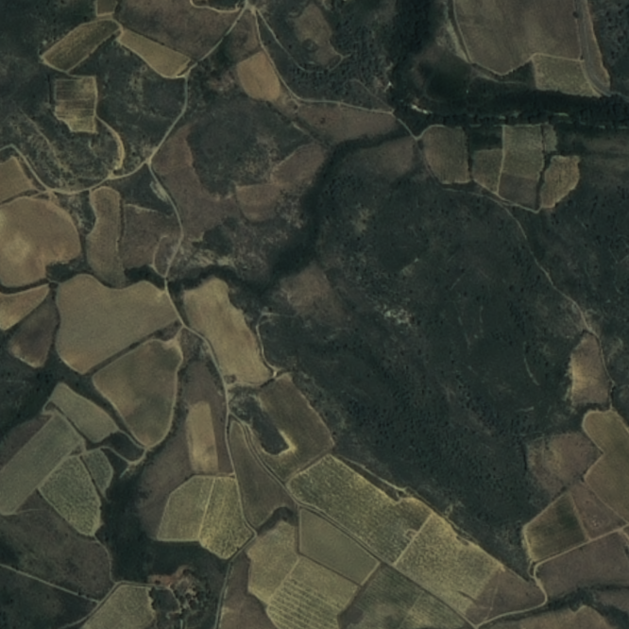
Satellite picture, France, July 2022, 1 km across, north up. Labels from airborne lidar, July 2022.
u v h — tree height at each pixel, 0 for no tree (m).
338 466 0
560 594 0
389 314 0
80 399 0
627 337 0
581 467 0
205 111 0
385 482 0
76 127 0
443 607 0
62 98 0
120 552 7
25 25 0
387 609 0
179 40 0
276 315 0
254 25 0
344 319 0
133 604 0
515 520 0
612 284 0
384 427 9
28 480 0
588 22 0
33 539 0
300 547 0
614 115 13
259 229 0
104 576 0
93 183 0
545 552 0
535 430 7
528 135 0
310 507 0
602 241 13
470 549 0
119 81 0
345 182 7
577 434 0
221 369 0
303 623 0
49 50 0
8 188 0
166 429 0
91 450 0
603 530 0
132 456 0
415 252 0
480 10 0
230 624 0
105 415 0
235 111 0
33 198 0
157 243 0
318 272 0
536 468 0
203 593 9
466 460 6
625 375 0
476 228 0
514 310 9
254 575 0
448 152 0
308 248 7
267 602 0
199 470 0
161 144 0
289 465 0
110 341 0
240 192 0
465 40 0
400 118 8
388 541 0
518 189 0
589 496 0
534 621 0
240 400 0
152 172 0
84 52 0
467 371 0
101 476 0
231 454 0
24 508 0
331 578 0
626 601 0
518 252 9
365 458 0
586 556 0
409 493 0
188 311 0
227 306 0
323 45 0
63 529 0
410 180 7
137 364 0
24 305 0
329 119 0
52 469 0
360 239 9
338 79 11
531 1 0
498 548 0
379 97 0
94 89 0
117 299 0
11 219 0
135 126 0
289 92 0
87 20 13
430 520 0
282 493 0
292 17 0
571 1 0
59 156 0
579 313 0
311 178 0
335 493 0
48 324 0
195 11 0
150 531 0
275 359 0
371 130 0
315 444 0
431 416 9
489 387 0
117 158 0
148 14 0
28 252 0
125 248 0
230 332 0
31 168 0
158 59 0
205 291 0
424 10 19
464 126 12
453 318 0
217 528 0
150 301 0
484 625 0
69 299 0
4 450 0
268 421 0
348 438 0
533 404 0
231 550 0
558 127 10
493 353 0
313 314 0
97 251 0
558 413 0
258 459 0
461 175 0
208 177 0
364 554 0
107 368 0
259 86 0
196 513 0
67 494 0
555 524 0
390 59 12
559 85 0
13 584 0
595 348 0
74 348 0
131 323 0
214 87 0
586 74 0
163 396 0
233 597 0
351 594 0
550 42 0
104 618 0
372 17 0
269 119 0
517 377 0
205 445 0
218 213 0
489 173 0
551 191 0
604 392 0
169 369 0
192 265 0
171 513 0
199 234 0
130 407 0
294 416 0
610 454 0
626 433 0
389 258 0
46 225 0
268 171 0
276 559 0
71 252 0
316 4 0
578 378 0
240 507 0
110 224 0
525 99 8
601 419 0
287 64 0
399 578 0
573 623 0
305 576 0
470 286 0
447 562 0
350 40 8
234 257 0
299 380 0
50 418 0
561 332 0
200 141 0
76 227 0
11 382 0
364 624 0
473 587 0
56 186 0
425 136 0
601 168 0
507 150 0
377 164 0
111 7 0
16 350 0
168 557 0
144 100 0
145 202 0
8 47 0
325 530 0
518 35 0
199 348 0
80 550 0
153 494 0
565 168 0
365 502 0
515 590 0
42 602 0
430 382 0
